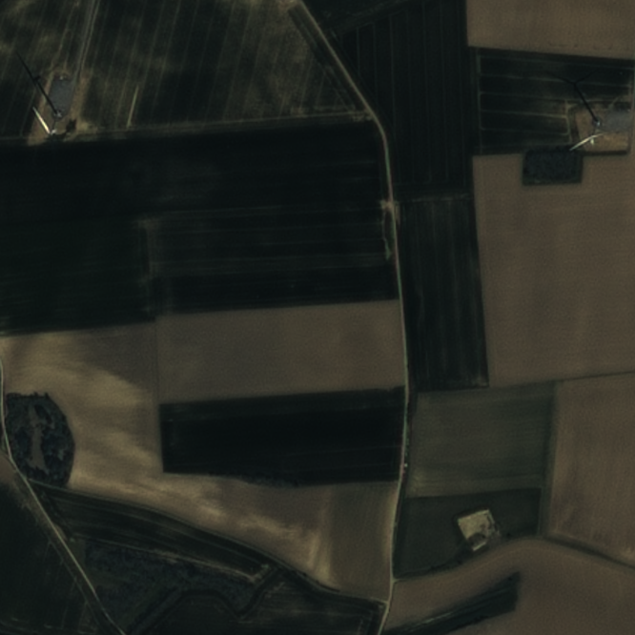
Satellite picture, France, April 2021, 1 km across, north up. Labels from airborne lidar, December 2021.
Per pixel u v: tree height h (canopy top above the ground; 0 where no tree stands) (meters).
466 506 0
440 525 0
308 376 0
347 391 0
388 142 0
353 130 0
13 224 0
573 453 0
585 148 0
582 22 0
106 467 0
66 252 0
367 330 0
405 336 0
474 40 0
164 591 0
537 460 0
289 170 0
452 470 0
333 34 0
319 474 0
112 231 0
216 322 0
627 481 0
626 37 0
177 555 0
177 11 0
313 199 0
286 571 0
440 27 0
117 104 0
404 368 0
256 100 0
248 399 0
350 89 0
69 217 0
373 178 0
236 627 0
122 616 13
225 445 0
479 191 0
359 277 0
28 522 0
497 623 0
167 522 0
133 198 0
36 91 0
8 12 0
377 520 0
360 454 0
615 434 0
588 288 0
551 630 0
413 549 0
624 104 0
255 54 0
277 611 0
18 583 0
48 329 0
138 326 0
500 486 0
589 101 0
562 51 0
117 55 0
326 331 0
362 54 0
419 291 0
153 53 0
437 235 0
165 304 0
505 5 0
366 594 0
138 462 0
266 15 0
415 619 0
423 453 0
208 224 0
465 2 0
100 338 0
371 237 0
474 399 0
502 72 0
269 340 0
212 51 0
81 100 0
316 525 0
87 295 0
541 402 0
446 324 0
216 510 0
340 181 0
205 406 0
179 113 0
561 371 0
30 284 0
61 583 0
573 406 0
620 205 0
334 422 0
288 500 0
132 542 0
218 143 0
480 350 0
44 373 0
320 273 0
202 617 0
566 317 0
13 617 0
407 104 0
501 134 0
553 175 17
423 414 0
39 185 0
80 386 0
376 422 0
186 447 0
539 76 0
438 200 0
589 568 0
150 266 0
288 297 0
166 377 0
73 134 0
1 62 0
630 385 0
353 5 0
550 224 0
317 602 0
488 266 0
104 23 0
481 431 0
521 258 0
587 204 0
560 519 0
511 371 0
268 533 0
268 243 0
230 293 0
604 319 0
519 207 0
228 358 0
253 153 0
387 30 0
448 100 0
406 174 0
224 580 15
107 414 0
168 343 0
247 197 0
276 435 0
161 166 0
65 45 0
